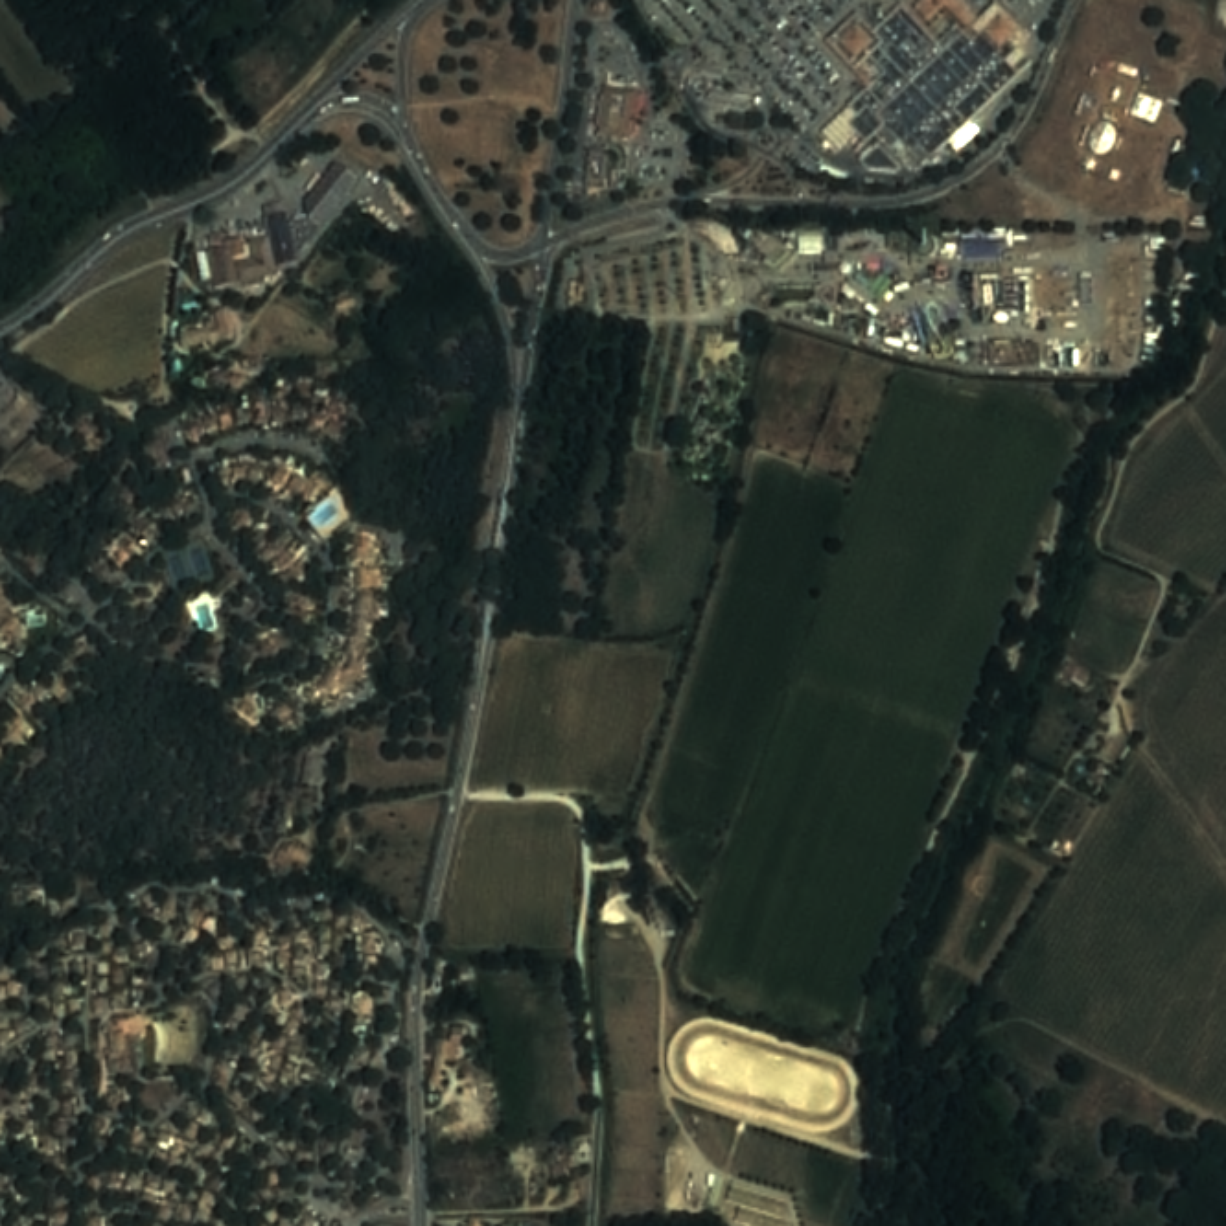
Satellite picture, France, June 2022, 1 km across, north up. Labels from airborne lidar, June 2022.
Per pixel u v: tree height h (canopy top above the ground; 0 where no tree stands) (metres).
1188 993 0
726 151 9
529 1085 0
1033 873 0
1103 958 0
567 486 15
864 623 0
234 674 11
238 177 0
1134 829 0
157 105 22
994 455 0
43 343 0
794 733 0
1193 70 0
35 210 9
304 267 7
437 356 8
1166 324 13
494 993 0
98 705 11
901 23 0
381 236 18
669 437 12
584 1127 9
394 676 16
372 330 12
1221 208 13
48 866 12
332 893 10
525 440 11
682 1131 0
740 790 0
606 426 19
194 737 8
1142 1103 0
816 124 0
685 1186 0
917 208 6
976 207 0
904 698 0
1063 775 8
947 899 12
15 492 12
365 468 13
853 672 0
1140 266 0
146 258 0
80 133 7
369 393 7
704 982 0
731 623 0
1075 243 0
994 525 0
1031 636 14
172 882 11
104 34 16
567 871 0
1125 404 16
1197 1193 19
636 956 0
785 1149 0
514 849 0
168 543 11
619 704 0
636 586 0
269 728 12
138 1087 10
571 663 0
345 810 9
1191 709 0
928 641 0
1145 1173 15
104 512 17
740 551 0
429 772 0
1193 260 16
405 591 13
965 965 0
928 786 0
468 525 7
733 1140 0
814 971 0
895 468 0
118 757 12
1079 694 10
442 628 16
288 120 0
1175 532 0
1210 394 0
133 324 0
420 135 0
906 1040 19
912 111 0
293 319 0
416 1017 0
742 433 13
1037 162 0
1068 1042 0
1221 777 0
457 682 11
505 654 0
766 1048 0
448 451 10
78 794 12
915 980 15
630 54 0
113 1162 15
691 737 0
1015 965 0
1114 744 0
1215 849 0
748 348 11
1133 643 0
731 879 0
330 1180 6
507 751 0
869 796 0
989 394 0
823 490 0
